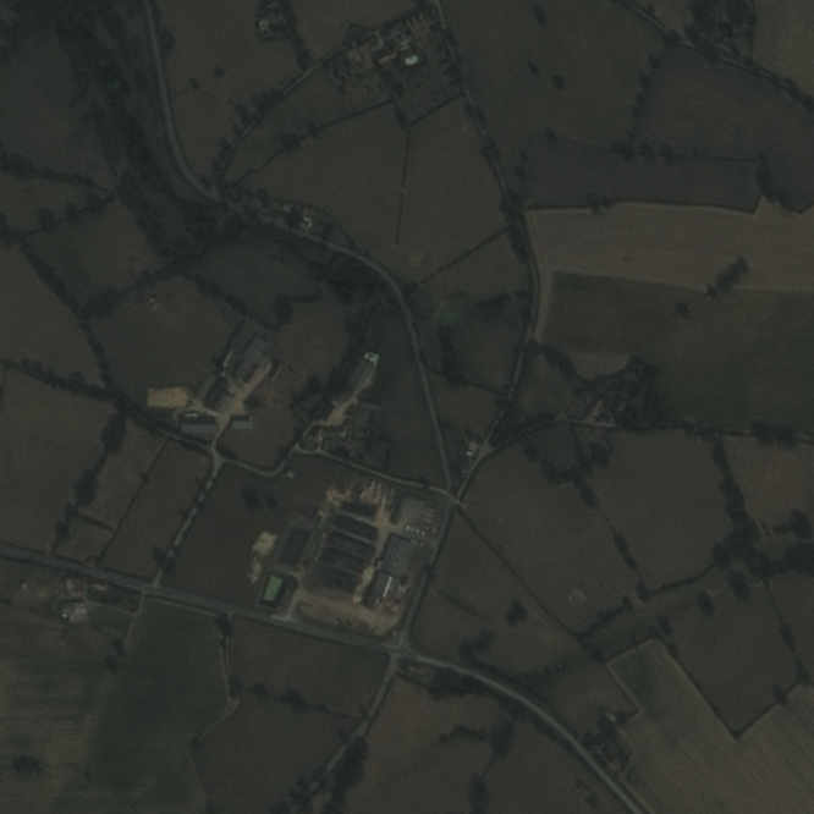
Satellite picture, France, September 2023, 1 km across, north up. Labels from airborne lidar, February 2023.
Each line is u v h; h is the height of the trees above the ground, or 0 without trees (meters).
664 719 0
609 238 0
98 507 0
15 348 0
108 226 0
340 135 0
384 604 0
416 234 0
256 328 0
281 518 0
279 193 0
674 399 0
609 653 0
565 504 0
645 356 0
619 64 0
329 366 0
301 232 0
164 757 0
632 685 0
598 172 0
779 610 0
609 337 0
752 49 0
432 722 0
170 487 0
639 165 0
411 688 0
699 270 0
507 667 0
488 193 0
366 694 0
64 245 0
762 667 0
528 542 0
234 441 0
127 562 0
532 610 0
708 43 7
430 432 0
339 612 0
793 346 0
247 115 16
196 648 0
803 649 0
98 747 0
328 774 15
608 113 0
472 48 0
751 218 0
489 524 0
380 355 0
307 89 0
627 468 0
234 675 0
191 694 0
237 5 0
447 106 0
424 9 12
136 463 0
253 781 0
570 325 0
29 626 0
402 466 0
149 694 0
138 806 0
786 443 15
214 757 0
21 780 0
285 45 0
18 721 0
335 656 0
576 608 0
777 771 0
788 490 0
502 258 0
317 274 9
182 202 7
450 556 0
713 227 0
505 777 0
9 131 0
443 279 0
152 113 0
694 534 0
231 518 0
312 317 0
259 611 0
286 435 0
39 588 0
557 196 0
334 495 0
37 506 0
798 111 0
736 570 0
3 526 0
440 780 0
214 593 0
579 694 0
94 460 0
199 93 0
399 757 0
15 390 0
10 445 0
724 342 0
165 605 0
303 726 0
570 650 0
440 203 0
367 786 0
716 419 0
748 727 0
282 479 0
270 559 0
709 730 0
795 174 0
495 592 0
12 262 0
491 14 0
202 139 0
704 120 0
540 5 0
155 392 0
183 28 0
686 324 0
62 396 0
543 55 0
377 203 0
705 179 0
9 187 0
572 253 0
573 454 0
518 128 0
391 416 0
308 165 0
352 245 10
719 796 0
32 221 0
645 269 0
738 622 0
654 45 0
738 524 11
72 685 0
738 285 0
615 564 0
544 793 0
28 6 15
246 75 0
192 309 0
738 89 0
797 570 13
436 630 0
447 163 0
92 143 0
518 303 0
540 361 0
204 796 0
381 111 0
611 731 15
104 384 13
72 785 0
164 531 0
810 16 0
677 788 0
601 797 0
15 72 0
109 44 0
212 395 0
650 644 0
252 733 0
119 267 0
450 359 16
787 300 0
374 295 8
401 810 0
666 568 0
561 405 0
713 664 0
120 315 0
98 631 0
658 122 0
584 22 0
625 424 11
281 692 0
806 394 0
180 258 14
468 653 14
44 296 0
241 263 0
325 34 0
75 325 0
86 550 0
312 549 0
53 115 0
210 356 0
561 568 0
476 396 0
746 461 0
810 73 0
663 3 0
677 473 0
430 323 0
